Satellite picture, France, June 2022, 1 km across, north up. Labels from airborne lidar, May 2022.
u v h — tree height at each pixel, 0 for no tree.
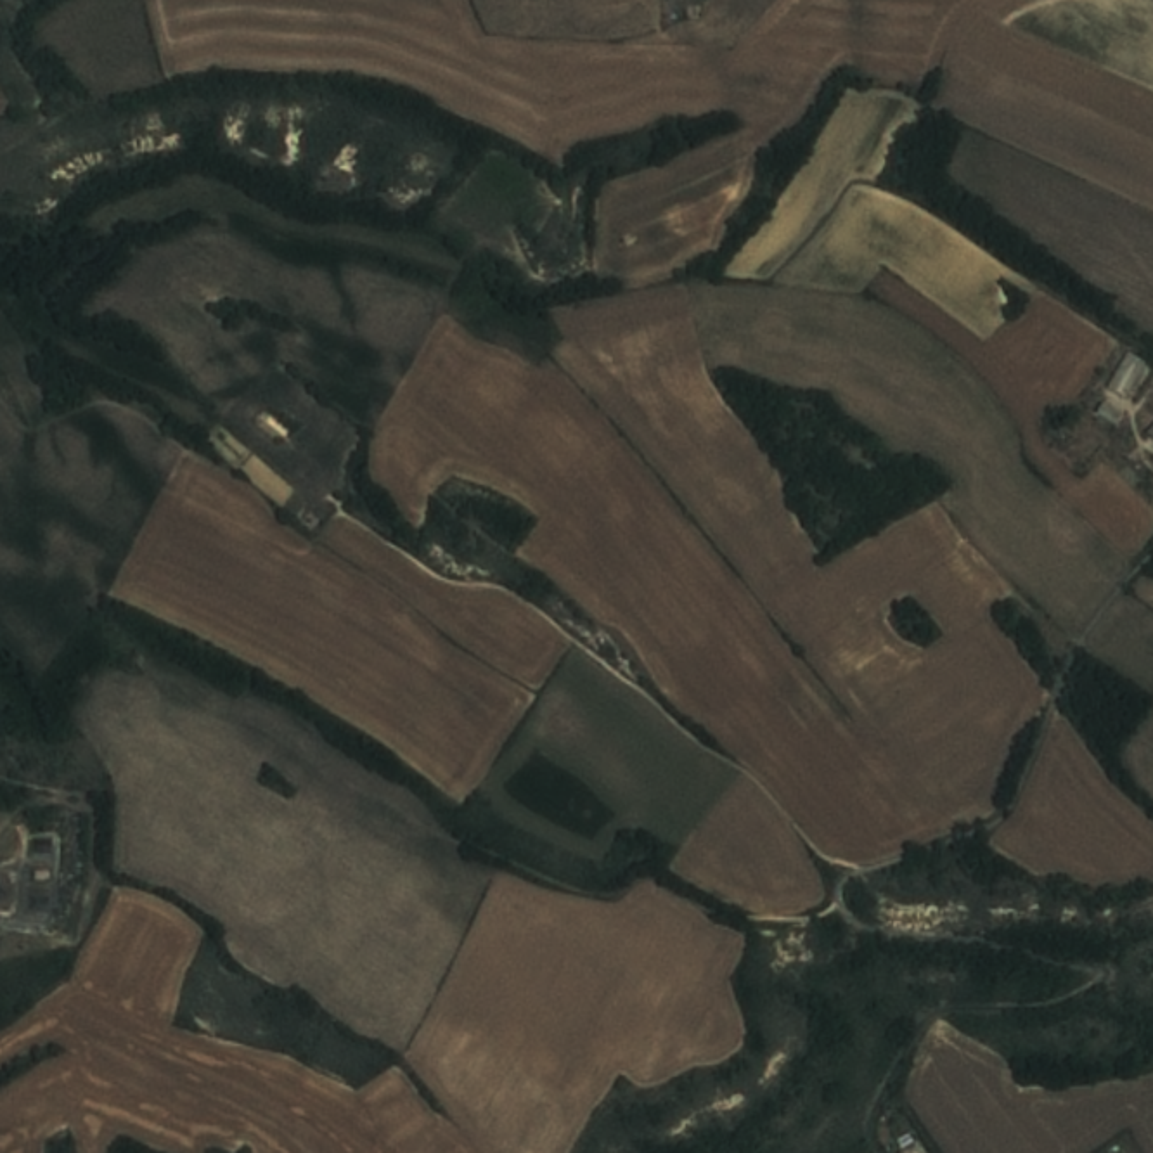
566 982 0
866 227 0
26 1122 0
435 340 0
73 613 0
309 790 0
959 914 0
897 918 0
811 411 7
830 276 0
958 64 0
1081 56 0
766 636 0
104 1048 0
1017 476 0
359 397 0
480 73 0
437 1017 0
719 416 0
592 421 0
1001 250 13
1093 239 0
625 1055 0
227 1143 0
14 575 0
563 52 0
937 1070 0
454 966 0
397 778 10
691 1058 0
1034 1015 14
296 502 0
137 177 18
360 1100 0
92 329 11
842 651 0
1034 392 0
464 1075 0
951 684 0
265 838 0
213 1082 0
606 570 0
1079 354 0
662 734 0
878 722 0
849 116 0
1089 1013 6
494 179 0
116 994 0
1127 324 9
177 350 0
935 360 0
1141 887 13
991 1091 0
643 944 0
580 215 6
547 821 0
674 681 0
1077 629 0
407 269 12
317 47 0
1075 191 0
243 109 0
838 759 0
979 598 0
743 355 0
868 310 0
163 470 0
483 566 0
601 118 0
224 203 0
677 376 0
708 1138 10
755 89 0
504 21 0
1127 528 0
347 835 0
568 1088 0
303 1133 0
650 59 0
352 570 0
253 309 10
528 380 0
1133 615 0
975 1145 0
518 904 0
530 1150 0
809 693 0
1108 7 0
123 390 10
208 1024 0
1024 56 0
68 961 6
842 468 12
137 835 0
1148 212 0
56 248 16
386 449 0
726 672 0
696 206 0
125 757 0
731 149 0
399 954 0
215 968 0
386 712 0
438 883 0
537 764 0
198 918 6
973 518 0
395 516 14
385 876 0
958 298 0
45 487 0
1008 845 0
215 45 0
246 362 0
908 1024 13
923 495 6
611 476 0
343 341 0
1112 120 0
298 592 0
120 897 0
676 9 0
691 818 0
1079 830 0
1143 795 8
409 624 0
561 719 0
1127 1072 14
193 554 0
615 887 7
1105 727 8
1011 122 0
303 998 9
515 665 0
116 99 13
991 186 0
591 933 0
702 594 0
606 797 0
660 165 9
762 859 0
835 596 0
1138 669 0
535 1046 0
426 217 16
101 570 0
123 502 0
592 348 0
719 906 10
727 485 0
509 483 0
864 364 0
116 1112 0
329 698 0
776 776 0
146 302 0
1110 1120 0
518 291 13
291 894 0
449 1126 0
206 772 0
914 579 0
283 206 18
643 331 0
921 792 0
